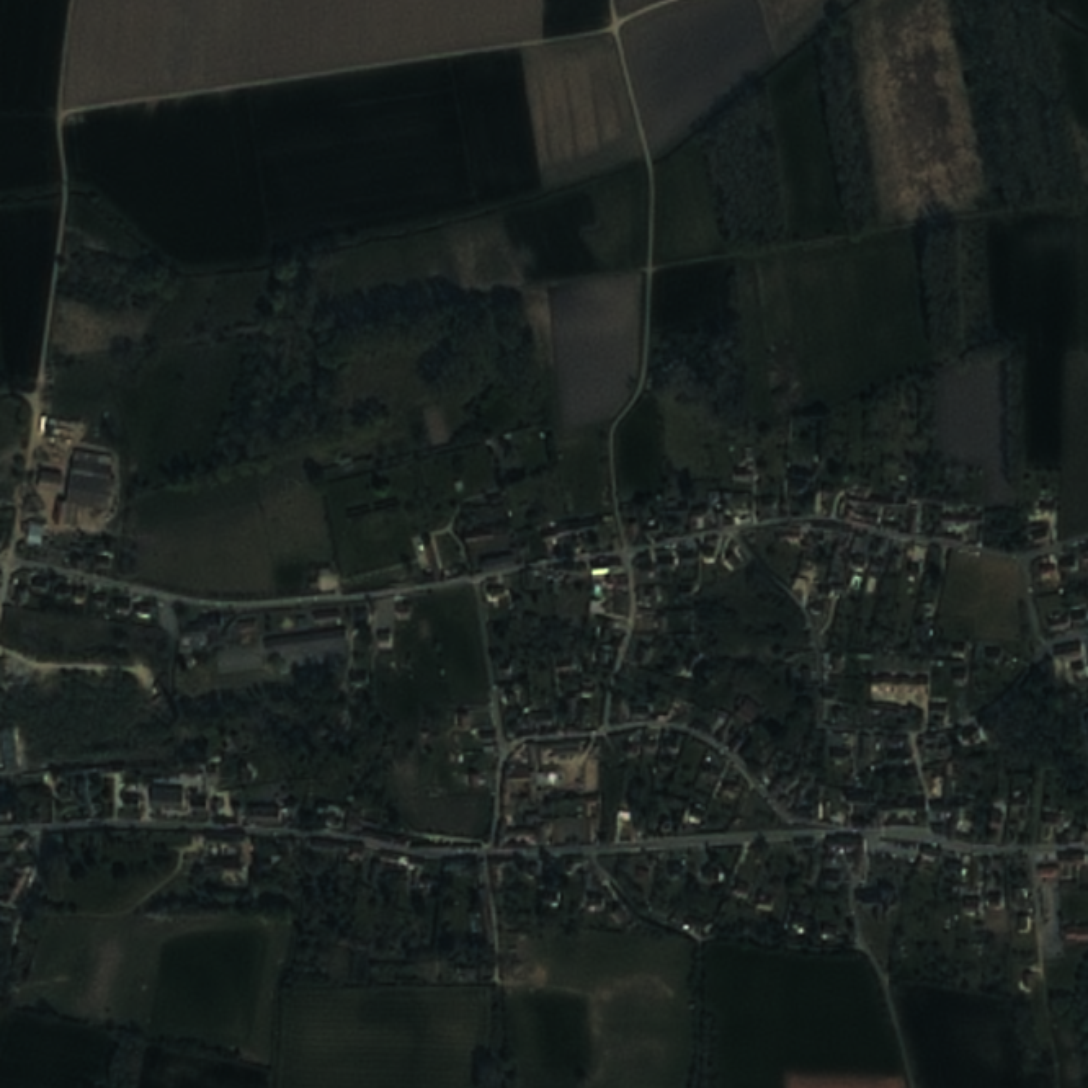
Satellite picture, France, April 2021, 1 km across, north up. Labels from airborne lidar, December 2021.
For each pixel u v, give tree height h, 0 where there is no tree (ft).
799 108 0
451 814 0
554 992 0
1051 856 0
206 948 0
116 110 0
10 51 0
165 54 0
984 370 0
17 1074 0
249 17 0
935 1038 0
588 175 0
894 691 0
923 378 31
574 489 0
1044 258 0
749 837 0
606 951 0
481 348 137
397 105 0
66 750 24
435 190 0
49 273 0
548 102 0
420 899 43
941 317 108
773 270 0
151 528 0
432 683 0
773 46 0
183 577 0
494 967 20
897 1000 0
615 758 0
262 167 0
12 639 0
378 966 19
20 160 0
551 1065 0
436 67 0
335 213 0
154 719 18
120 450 38
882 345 0
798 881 34
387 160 0
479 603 0
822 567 0
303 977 31
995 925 0
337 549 20
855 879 0
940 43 0
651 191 0
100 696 26
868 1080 0
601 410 0
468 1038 0
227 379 0
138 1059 37
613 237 0
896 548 0
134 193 0
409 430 0
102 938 0
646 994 0
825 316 0
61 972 0
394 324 131
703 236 0
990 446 0
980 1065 0
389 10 0
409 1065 0
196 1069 0
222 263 0
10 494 0
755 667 42
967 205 0
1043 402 0
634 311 0
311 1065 0
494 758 0
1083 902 0
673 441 0
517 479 40
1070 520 0
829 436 22
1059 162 115
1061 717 63
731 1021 0
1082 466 0
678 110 0
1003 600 0
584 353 0
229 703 48
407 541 0
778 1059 0
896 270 0
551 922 49
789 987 0
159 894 0
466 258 0
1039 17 131
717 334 65
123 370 35
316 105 0
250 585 0
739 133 98
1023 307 0
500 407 0
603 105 0
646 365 0
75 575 0
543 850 0
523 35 0
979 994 0
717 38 0
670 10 0
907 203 0
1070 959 0
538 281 0
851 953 20
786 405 0
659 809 23
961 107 0
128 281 27
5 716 32
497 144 0
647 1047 0
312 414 130
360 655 22
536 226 0
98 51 0
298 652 0
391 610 0
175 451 0
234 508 0
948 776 0
